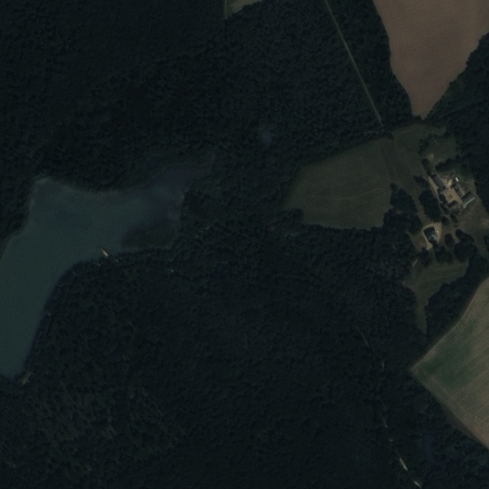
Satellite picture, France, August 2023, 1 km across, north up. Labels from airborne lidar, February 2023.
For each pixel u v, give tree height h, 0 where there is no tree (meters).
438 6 0
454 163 9
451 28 0
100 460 23
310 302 21
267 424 21
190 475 20
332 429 25
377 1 0
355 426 26
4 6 14
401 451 23
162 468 24
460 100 8
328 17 10
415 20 0
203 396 13
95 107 5
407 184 0
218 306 23
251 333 19
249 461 20
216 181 7
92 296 24
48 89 22
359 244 10
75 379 0
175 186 0
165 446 20
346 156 0
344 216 0
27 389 15
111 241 0
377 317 26
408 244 31
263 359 18
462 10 0
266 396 24
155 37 20
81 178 20
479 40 0
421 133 0
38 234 0
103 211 0
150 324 23
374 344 26
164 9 20
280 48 22
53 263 0
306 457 21
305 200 0
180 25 18
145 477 19
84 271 18
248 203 22
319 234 22
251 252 9
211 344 22
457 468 20
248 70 23
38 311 0
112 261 11
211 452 24
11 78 21
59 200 0
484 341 0
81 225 0
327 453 24
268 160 22
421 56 0
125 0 21
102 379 0
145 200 0
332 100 26
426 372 0
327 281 21
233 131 23
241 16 7
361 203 0
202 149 14
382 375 15
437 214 26
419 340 25
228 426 21
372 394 24
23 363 0
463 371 0
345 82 6
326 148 17
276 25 19
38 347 11
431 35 0
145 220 0
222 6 18
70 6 20
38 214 0
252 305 22
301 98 24
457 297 15
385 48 8
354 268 25
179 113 24
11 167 22
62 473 21
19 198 8
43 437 19
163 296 23
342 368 22
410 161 0
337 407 22
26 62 21
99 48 23
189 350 21
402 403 28
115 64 24
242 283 13
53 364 18
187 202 12
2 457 20
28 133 20
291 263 9
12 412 18
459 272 0
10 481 18
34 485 22
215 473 23
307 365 24
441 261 19
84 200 0
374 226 0
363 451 24
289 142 22
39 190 0
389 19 0
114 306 22
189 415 19
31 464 23
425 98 0
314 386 25
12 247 0
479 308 0
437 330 20
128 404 21
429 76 0
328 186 0
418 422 19
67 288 18
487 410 0
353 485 23
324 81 23
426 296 0
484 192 20
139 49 23
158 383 14
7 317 0
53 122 21
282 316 22
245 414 22
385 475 23
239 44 22
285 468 24
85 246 0
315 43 19
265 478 23
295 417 20
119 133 14
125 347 23
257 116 22
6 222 23
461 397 0
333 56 23
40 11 16
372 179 0
